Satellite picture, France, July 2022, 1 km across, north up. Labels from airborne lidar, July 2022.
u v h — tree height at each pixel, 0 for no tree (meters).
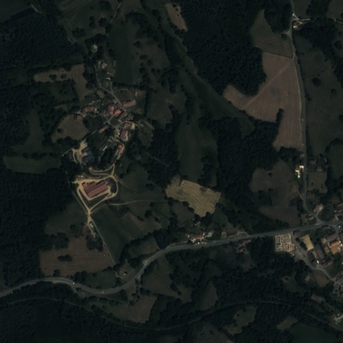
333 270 0
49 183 25
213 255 0
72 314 23
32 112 0
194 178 0
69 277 13
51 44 28
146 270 15
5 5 0
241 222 15
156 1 0
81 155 0
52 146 18
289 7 25
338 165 0
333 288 13
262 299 13
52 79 14
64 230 0
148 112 12
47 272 0
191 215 0
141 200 0
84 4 0
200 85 0
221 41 9
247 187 14
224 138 27
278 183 0
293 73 0
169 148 14
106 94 14
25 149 0
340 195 12
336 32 20
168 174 9
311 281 0
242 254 16
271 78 0
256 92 18
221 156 20
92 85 12
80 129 0
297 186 0
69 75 0
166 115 0
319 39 21
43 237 17
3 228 29
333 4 0
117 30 0
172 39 18
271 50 0
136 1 0
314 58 0
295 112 0
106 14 0
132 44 0
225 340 0
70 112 9
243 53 25
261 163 17
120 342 25
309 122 0
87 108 0
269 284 16
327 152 6
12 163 0
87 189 0
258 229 7
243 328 12
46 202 22
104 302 15
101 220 0
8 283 28
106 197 0
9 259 33
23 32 30
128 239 0
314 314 13
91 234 0
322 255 0
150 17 0
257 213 7
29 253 21
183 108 0
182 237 0
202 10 6
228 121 14
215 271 0
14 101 19
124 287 0
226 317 16
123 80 0
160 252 0
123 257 20
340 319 0
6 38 24
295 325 9
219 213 0
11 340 13
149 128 0
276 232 0
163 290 0
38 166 0
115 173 0
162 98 0
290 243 0
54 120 20
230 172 20
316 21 17
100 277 0
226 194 15
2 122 19
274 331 5
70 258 17
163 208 0
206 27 6
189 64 0
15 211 25
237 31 8
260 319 19
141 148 9
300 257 0
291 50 0
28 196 14
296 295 15
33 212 19
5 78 15
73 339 7
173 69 7
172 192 0
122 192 0
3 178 32
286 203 0
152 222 0
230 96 0
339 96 0
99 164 9
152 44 0
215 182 0
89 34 0
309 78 0
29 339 7
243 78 15
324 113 0
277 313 12
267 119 0
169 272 0
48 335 6
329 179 15
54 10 17
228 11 6
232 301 8
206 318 13
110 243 0
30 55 16
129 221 0
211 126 26
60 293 27
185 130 0
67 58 10
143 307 0
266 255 12
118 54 0
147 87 13
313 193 6
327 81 0
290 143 0
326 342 0
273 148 21
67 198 24
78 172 23
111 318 11
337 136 0
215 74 9
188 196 0
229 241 0
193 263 8
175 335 7
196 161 0
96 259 0
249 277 24
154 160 12
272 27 7
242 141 16
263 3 12
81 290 10
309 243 0
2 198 32
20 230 23
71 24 0
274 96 0
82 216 0
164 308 0
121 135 0
